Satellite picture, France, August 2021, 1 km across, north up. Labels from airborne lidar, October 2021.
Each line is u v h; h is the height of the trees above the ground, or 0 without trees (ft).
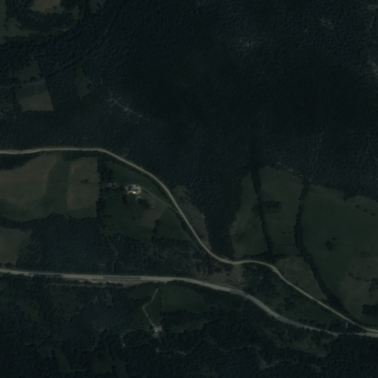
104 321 32
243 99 36
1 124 23
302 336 41
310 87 73
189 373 52
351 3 72
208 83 57
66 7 36
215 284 0
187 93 86
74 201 0
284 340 21
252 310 43
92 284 32
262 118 52
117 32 43
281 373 74
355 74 60
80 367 19
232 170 34
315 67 62
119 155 33
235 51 46
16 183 0
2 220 29
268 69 59
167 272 31
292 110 59
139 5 56
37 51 72
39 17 46
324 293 39
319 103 49
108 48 55
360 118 65
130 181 0
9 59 75
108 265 37
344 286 0
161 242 45
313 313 0
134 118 22
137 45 60
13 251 0
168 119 49
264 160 48
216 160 45
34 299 58
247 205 0
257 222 0
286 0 53
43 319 31
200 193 45
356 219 0
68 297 0
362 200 0
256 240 0
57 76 42
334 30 20
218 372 58
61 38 66
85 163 0
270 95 70
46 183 0
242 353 79
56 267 37
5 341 84
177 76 47
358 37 87
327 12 74
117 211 0
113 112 25
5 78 49
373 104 46
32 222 38
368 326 34
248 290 26
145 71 51
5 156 29
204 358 55
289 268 0
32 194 0
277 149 31
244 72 50
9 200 0
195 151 38
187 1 70
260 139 44
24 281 38
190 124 57
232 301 31
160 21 58
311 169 39
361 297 0
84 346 71
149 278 0
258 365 79
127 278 0
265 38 32
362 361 77
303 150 41
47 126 38
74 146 25
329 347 40
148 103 44
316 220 0
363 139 39
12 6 32
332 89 61
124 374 0
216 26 57
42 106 0
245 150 49
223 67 54
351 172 47
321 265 0
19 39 26
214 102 57
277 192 0
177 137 44
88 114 23
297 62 49
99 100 28
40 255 32
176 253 25
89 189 0
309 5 66
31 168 0
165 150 46
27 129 31
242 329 59
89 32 57
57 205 0
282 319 0
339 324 25
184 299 0
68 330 57
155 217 0
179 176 43
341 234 0
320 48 82
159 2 65
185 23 69
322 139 20
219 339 63
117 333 26
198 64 44
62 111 42
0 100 25
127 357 85
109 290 38
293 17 77
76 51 58
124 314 51
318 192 0
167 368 58
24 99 0
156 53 66
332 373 83
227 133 41
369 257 0
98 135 33
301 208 35
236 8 44
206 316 56
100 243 59
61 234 46
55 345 56
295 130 46
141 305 33
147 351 83
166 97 57
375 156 22
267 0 52
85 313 48
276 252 0
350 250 0
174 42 61
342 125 60
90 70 36
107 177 33
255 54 48
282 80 63
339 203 0
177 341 61
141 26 50
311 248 0
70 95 35
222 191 40
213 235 43
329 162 52
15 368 125
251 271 30
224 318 75
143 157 38
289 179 0
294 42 34
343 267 0
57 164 0
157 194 0
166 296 0
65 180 0
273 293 20
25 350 69
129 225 0
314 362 72
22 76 0
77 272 19
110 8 54
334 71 68
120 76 40
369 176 25
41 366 76
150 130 48
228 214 34
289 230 0
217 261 28
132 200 0
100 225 53
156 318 0
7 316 21
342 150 55
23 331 47
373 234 0
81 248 26
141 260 26
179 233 0
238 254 0
